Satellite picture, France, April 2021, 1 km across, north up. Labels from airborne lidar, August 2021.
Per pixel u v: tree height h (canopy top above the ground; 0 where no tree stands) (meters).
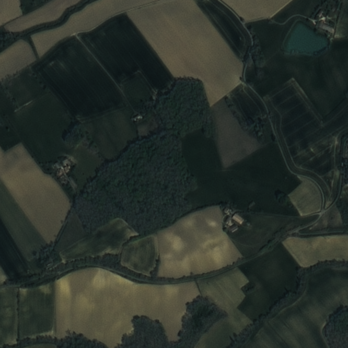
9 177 0
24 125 0
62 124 0
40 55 0
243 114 0
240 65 0
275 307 15
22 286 9
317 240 0
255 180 0
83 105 0
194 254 0
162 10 0
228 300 0
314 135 0
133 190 20
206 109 20
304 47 0
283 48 0
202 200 0
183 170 23
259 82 0
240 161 0
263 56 11
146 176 24
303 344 0
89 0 6
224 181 0
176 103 23
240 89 0
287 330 0
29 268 0
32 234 0
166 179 20
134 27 0
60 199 0
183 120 23
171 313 0
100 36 0
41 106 0
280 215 0
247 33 0
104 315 0
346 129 0
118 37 0
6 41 13
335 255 0
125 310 0
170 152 21
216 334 0
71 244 0
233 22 0
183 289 0
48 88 9
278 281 0
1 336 0
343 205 12
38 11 0
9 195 0
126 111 0
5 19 0
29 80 0
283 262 0
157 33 0
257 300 0
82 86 0
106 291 0
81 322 0
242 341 14
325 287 0
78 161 0
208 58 0
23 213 0
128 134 0
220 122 0
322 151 0
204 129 12
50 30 0
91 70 0
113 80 0
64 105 0
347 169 10
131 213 22
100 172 19
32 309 0
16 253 0
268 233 0
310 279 0
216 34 0
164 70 0
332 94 0
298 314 0
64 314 0
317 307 0
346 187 0
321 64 0
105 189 13
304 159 0
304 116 0
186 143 0
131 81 0
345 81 0
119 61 0
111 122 0
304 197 0
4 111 0
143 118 7
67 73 0
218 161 0
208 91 0
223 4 0
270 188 0
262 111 0
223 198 0
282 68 0
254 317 0
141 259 0
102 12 0
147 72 0
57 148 0
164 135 21
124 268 9
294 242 0
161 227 13
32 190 0
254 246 0
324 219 0
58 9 0
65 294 0
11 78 10
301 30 0
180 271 0
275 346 0
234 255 0
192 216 0
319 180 0
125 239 0
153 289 0
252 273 0
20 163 0
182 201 22
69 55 0
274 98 0
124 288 0
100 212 20
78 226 0
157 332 24
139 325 20
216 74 0
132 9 0
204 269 0
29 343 17
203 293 0
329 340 13
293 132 0
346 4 0
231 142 0
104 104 0
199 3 0
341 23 0
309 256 0
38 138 0
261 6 0
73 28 0
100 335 0
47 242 0
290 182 0
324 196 0
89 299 0
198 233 0
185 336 22
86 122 0
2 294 0
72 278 0
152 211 23
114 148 0
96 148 15
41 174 0
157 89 0
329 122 0
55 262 13
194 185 24
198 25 0
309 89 0
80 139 22
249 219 0
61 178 8
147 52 0
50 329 0
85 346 13
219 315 22
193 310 19
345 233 13
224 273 0
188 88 23
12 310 0
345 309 18
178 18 0
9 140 0
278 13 0
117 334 0
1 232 0
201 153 0
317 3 0
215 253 0
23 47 0
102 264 18
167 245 0
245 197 0
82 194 8
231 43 0
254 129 8
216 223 0
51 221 0
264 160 0
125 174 18
